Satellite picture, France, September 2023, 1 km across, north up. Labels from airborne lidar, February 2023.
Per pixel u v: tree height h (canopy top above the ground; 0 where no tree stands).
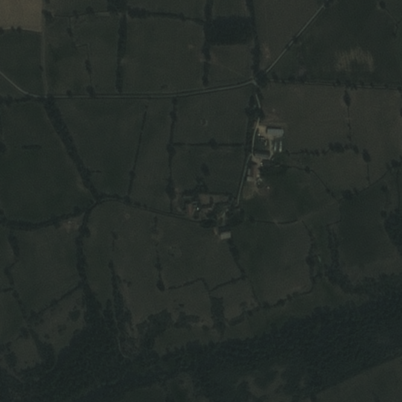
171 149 17
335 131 0
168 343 0
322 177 0
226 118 0
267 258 0
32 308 0
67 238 0
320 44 0
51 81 0
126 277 0
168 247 0
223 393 7
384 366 0
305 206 0
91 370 10
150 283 0
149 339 11
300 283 0
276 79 16
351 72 0
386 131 0
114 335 7
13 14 0
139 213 0
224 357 15
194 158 0
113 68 0
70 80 0
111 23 0
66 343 0
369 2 0
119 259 0
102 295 0
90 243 0
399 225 14
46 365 9
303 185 0
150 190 0
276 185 0
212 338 0
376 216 0
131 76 0
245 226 0
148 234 0
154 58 0
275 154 0
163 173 0
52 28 0
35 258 0
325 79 0
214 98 0
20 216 0
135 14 15
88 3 0
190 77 0
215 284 0
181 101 0
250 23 18
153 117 0
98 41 0
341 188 0
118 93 12
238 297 0
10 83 0
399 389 0
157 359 19
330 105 0
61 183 0
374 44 0
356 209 0
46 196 0
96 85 0
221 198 0
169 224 0
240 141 0
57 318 0
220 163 0
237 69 0
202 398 0
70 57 0
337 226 0
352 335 10
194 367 13
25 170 0
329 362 9
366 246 0
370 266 0
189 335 0
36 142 0
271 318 0
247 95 0
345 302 0
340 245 0
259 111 10
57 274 0
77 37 0
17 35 0
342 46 0
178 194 0
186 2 0
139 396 0
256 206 0
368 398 0
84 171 14
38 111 0
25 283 0
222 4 0
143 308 0
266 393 0
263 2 0
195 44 0
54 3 0
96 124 0
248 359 19
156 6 0
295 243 0
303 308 0
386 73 0
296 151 0
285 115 0
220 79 0
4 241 0
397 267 0
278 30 0
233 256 13
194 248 0
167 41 0
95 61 0
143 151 0
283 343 11
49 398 12
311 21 0
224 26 20
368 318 7
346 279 12
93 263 0
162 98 0
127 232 0
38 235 0
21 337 13
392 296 15
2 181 0
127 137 0
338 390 0
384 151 0
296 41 13
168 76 0
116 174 0
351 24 0
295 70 0
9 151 0
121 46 14
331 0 13
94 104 0
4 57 0
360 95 0
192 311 0
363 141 0
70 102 0
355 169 0
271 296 0
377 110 0
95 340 15
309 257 12
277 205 0
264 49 0
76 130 0
